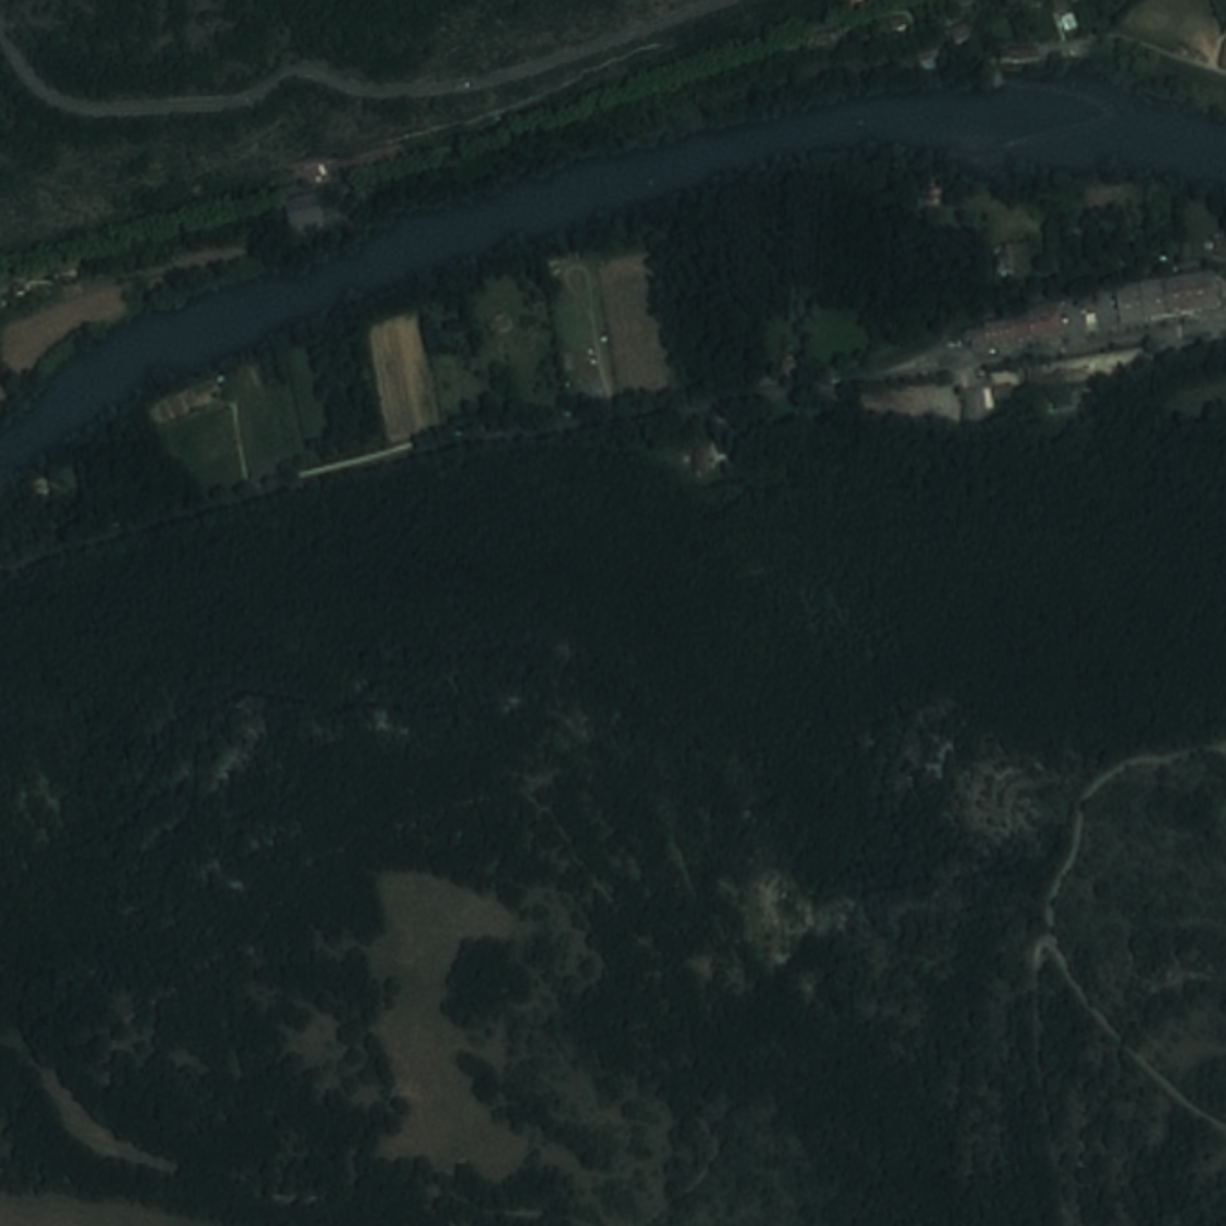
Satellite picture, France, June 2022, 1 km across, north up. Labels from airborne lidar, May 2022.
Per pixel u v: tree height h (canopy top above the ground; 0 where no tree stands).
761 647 16
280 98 12
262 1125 12
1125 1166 8
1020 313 15
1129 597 19
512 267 18
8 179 11
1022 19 6
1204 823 10
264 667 11
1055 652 17
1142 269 7
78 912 19
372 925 10
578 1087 0
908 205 12
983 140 0
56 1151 17
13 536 20
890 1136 7
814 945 12
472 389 0
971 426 14
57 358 14
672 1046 10
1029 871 8
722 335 16
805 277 31
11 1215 0
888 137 0
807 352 14
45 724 6
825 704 19
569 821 7
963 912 6
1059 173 13
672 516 15
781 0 11
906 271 29
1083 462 16
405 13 10
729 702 14
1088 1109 8
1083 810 9
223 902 6
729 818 10
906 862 12
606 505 12
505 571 16
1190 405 0
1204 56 0
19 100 12
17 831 8
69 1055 13
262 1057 8
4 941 10
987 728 7
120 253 25
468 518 13
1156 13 0
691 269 12
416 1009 0
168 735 7
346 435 20
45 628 16
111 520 16
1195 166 0
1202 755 10
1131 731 10
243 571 15
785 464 20
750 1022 12
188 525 20
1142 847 0
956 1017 8
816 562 8
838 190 27
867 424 19
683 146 0
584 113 22
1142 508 14
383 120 7
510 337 0
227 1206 11
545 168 19
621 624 15
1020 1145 8
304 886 11
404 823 7
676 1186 11
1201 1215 11
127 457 19
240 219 22
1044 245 8
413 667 8
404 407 0
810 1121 8
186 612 15
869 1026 11
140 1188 15
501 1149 0
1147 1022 6
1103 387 25
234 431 0
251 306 0
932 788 7
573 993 9
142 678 14
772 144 0
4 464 0
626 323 0
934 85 10
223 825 8
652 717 7
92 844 17
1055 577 15
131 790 9
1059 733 9
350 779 9
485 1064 9
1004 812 0
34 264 26
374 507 15
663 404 16
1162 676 17
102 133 10
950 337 0
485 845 7
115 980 6
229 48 7
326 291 0
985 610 14
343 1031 10
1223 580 20
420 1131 0
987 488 17
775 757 17
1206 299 0
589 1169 8
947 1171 10
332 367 17
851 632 8
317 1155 8
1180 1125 11
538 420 21
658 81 22
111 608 17
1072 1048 10
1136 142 0
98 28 8
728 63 23
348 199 14
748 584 14
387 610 14
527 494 10
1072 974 6
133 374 0
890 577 12
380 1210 12
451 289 25
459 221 0
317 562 18
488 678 8
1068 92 0
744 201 38
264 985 7
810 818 16
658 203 16
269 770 6
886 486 16
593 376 0
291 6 10
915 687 14
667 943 11
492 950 10
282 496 18
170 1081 8
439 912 0
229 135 9
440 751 8
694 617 20
